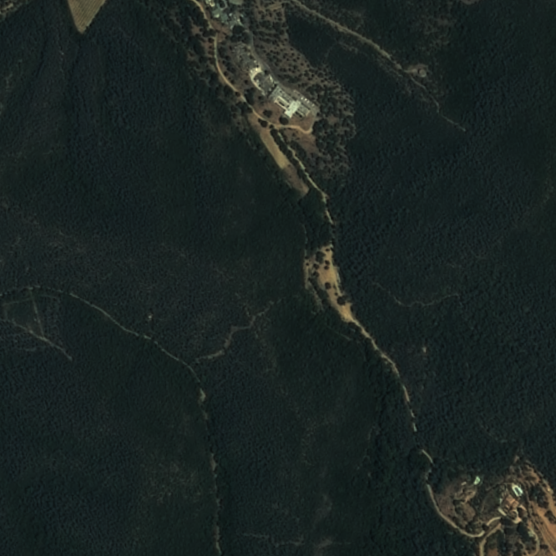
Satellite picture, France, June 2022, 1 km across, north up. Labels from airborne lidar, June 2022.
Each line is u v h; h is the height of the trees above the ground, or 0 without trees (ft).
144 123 26
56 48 35
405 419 41
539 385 32
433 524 45
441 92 20
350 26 18
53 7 27
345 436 18
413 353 19
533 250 24
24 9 30
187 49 35
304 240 22
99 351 25
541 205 25
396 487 30
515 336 39
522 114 30
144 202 30
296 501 24
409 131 25
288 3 22
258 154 17
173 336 31
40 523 31
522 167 32
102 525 30
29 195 25
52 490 28
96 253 28
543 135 24
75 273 38
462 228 37
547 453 37
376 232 47
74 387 33
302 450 22
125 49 38
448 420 46
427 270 43
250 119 0
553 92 31
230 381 21
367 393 27
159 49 31
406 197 23
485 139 42
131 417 25
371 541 40
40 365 40
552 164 21
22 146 26
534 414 28
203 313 29
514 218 38
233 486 40
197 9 41
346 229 45
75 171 39
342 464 27
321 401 35
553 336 37
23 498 32
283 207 21
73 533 31
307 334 23
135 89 31
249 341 27
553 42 20
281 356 23
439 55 18
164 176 24
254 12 31
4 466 35
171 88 38
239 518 28
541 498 26
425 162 19
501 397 31
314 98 19
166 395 20
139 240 27
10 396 36
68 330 29
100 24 42
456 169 38
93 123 33
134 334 19
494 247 25
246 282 26
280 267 35
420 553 58
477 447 33
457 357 35
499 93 56
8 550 35
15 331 29
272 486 20
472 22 25
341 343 23
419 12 25
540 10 19
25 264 42
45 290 48
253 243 28
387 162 20
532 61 29
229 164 23
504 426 39
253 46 0
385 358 24
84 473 31
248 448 25
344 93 27
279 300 22
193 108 32
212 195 31
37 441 38
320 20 34
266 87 0
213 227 28
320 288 40
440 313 32
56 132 38
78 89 47
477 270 29
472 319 26
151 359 35
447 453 51
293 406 24
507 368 31
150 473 21
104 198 40
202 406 23
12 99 31
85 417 31
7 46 31
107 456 24
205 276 25
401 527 37
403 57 24
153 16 40
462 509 39
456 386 34
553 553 0
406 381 40
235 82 41
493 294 41
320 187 25
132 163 31
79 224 34
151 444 23
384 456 59
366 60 23
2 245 26
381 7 36
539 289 27
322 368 35
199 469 28
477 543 21
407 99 38
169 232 18
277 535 25
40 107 28
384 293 18
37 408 27
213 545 40
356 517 28
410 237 22
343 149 30
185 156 26
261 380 26
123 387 40
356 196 46
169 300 31
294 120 0
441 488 64
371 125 22
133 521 18
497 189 33
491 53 41
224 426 39
